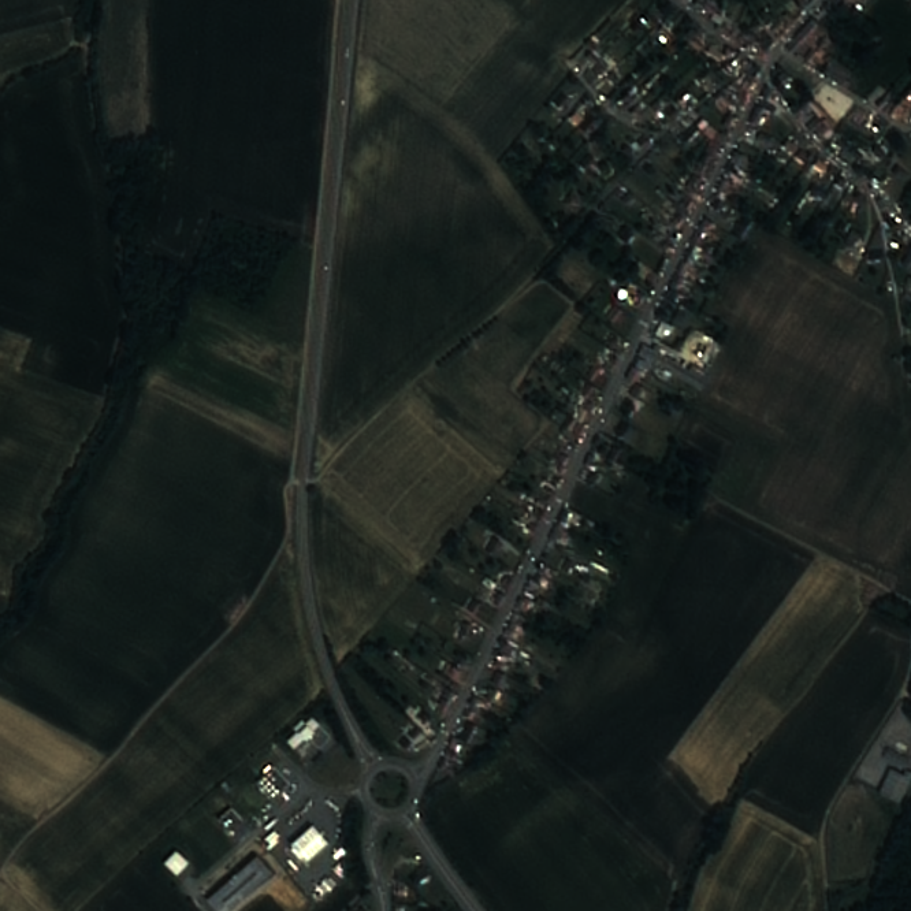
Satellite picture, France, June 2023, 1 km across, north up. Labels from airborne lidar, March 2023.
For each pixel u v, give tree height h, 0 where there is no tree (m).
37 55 0
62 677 0
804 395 0
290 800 0
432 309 0
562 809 0
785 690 0
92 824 0
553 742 0
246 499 0
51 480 0
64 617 0
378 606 0
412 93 0
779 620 0
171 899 0
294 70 0
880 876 8
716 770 0
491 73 0
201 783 0
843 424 0
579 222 6
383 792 0
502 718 6
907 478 0
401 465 0
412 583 0
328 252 0
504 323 0
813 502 0
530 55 0
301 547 0
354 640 0
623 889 0
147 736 0
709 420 0
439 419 0
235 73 0
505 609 0
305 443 0
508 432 0
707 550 0
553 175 12
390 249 0
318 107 0
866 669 0
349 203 0
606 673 0
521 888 0
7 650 0
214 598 0
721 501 0
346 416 0
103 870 0
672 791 0
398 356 0
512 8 0
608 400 0
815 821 0
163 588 0
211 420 0
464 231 0
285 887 0
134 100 0
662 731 0
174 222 0
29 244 0
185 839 0
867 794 0
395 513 0
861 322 0
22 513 0
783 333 0
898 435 0
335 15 0
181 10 0
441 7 0
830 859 0
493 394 0
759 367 0
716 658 0
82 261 0
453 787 0
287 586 0
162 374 0
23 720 0
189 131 0
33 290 0
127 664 0
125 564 0
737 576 0
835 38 14
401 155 0
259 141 0
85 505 0
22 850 0
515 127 0
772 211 9
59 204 0
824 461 0
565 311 0
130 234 6
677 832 0
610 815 0
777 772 0
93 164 0
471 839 0
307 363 0
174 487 0
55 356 0
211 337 0
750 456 0
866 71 0
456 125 0
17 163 0
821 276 0
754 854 0
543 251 0
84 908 0
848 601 0
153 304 6
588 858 0
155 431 0
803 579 0
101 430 7
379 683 10
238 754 0
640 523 0
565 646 8
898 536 0
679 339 7
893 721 0
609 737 0
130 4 0
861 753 0
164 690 0
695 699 0
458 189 0
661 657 0
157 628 0
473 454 0
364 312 0
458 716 0
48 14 0
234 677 0
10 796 0
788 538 0
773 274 0
